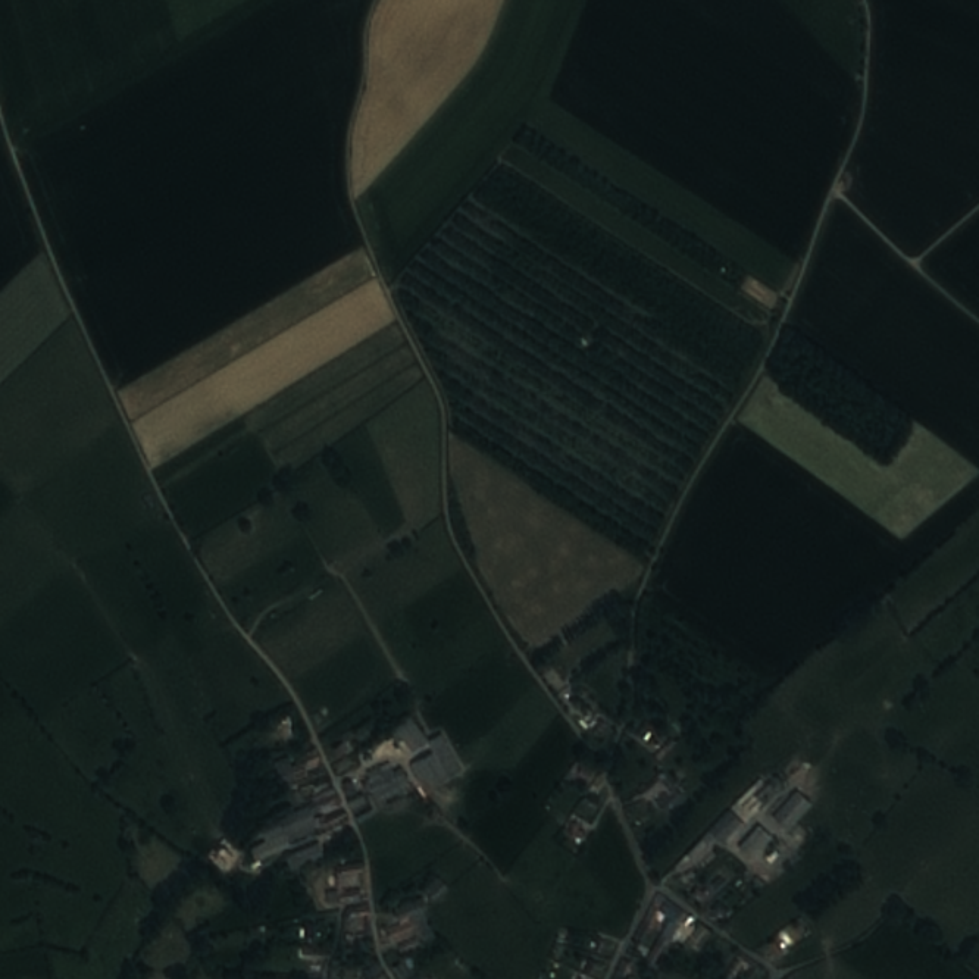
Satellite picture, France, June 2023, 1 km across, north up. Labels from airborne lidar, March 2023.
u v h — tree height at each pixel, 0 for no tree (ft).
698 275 0
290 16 0
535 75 0
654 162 0
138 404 0
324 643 0
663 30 0
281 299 0
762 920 0
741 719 25
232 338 0
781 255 0
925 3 0
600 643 0
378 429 0
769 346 0
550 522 0
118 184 0
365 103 0
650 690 62
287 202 0
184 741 0
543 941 0
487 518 0
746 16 0
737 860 0
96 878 0
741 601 0
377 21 0
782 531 0
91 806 0
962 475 0
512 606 0
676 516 0
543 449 38
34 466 0
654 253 0
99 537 0
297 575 0
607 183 30
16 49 0
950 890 0
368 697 0
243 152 0
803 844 0
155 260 0
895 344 0
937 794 0
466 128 0
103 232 0
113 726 0
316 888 0
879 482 0
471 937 0
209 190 0
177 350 0
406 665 0
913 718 0
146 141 0
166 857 0
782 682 20
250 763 64
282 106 0
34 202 0
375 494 0
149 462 0
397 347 0
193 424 0
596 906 0
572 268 25
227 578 0
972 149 0
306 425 0
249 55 0
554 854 0
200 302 0
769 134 0
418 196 0
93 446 0
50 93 0
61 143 0
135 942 0
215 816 0
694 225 0
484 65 0
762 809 0
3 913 0
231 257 0
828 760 0
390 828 0
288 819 0
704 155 0
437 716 0
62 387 0
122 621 0
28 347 0
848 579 0
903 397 0
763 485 0
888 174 0
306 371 0
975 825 0
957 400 0
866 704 0
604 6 0
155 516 0
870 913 0
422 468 0
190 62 0
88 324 0
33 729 0
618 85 0
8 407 0
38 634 0
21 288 0
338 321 0
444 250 31
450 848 0
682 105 0
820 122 0
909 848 0
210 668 0
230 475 0
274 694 0
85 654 0
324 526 0
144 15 0
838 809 0
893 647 0
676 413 37
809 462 0
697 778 0
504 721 0
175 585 0
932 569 0
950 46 0
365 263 0
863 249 0
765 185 0
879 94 0
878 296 0
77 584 0
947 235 0
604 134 0
